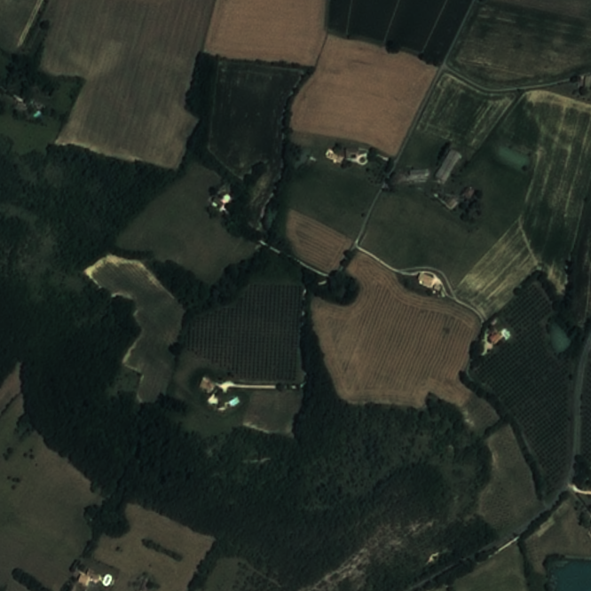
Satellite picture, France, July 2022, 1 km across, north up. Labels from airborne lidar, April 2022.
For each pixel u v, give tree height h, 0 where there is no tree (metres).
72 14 0
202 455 11
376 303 0
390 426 12
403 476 9
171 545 0
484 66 0
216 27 0
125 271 0
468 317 0
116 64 0
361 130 0
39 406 18
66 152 10
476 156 0
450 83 0
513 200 0
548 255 0
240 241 0
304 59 0
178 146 0
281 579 8
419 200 0
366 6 0
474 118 0
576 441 0
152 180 12
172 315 0
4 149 0
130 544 0
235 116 0
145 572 6
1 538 0
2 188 6
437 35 0
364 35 0
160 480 11
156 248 0
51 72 0
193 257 0
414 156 0
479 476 12
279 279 0
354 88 0
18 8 0
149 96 0
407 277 0
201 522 14
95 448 22
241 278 18
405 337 0
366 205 0
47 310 10
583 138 0
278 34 0
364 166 0
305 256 0
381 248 0
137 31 0
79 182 7
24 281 7
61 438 13
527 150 0
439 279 0
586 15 0
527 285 12
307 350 19
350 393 0
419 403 0
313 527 11
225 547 9
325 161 0
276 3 0
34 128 0
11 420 0
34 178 0
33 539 0
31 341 10
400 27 0
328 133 0
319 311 0
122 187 8
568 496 8
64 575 0
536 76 0
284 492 14
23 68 7
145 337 0
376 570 10
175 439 17
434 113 0
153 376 0
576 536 0
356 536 8
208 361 0
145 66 0
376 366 0
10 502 0
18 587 0
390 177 10
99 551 0
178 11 0
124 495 12
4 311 14
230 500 8
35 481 0
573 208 0
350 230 0
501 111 0
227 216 12
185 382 0
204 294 19
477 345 13
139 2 0
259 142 0
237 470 9
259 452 8
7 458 7
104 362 19
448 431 9
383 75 0
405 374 0
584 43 0
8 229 7
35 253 0
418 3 0
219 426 0
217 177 0
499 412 12
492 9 0
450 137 0
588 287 0
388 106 0
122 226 15
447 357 0
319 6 0
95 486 9
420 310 0
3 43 0
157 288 0
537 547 0
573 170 0
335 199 0
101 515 10
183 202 0
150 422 17
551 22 0
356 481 9
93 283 8
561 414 6
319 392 18
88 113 0
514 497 0
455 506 0
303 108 0
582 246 0
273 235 12
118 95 0
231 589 0
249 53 0
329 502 6
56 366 15
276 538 9
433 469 8
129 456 18
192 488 13
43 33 0
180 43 0
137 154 0
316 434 18
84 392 25
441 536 10
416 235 0
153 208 0
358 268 0
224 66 0
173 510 12
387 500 8
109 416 19
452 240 0
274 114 0
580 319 0
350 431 11
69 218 8
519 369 6
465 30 0
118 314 22
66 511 0
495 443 0
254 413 0
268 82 0
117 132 0
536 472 11
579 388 0
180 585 0
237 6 0
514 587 0
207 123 9
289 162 14
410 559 7
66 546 0
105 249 16
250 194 10
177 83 0
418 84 0
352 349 0
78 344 17
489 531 11
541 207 0
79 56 0
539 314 6
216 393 7
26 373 15
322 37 0
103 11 0
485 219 0
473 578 0
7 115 0
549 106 0
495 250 0
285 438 15
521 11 0
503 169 0
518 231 0
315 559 11
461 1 0
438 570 16
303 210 0
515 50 0
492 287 0
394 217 0
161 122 0
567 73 0
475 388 9
